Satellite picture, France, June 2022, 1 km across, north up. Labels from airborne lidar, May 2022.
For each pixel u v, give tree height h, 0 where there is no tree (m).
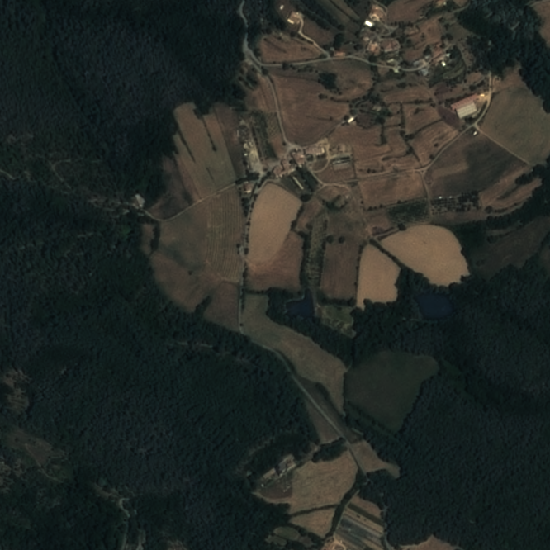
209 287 0
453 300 15
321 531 0
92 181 10
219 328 14
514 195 0
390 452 19
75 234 16
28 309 17
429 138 0
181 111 0
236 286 0
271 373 26
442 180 0
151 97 13
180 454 21
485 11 20
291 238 0
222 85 14
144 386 18
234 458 26
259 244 0
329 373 0
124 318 26
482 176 0
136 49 15
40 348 13
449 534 23
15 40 23
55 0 10
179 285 0
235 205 0
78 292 13
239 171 0
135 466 17
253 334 0
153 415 17
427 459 30
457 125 0
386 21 0
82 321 15
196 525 10
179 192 0
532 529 18
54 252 20
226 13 15
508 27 20
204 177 0
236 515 18
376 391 0
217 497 20
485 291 14
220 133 0
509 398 16
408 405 0
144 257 10
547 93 28
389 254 6
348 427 10
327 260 0
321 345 15
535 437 25
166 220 0
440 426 25
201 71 7
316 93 0
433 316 0
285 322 14
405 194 0
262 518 19
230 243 0
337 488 0
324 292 0
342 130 0
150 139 20
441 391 23
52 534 15
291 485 0
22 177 8
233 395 23
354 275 0
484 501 16
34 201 11
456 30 0
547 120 0
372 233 0
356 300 6
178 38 14
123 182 14
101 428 20
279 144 0
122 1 10
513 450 22
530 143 0
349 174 0
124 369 19
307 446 7
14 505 8
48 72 19
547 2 0
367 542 0
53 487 9
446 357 24
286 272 0
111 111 10
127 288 11
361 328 27
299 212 6
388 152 0
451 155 0
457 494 22
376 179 0
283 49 0
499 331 15
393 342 6
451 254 0
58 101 15
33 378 16
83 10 23
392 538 16
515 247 0
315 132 0
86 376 19
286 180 0
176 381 27
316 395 0
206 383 20
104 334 9
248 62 0
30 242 22
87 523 18
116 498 7
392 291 0
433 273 0
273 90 0
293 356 0
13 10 30
